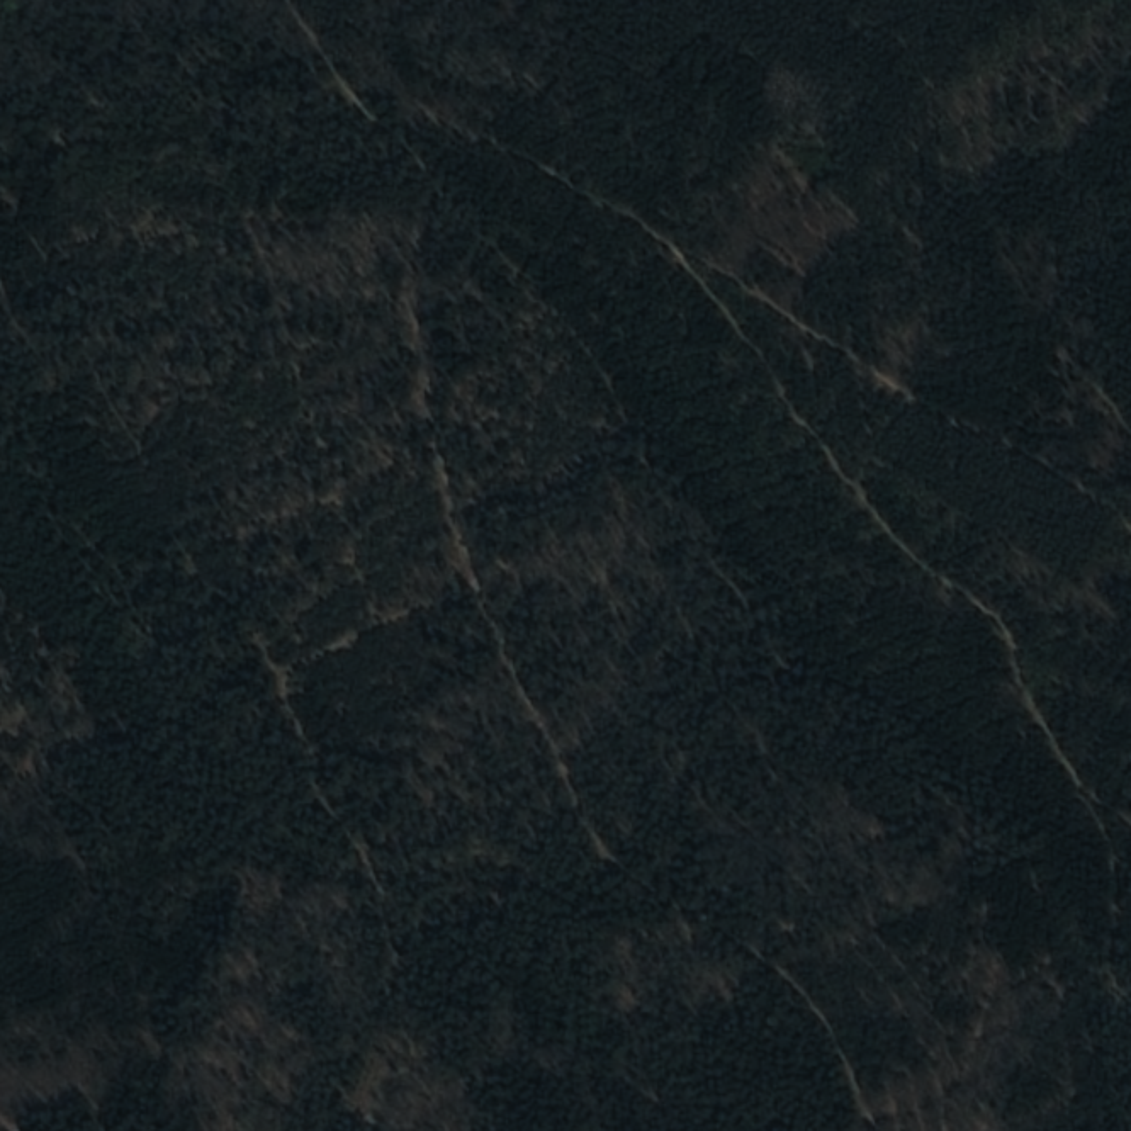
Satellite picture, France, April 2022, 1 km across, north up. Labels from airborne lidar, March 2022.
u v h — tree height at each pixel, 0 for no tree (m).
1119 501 21
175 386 6
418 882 15
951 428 24
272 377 20
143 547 11
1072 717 12
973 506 23
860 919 26
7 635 11
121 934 20
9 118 30
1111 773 19
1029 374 21
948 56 26
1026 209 29
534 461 10
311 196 28
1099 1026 26
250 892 23
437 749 28
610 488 22
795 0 24
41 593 10
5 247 11
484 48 26
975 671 19
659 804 32
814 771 27
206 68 7
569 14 27
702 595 25
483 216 27
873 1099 16
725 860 26
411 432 23
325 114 30
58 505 10
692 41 25
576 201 15
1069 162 19
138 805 29
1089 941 10
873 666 16
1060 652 17
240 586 9
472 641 29
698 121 18
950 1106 12
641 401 13
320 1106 28
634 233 20
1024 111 23
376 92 20
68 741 34
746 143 19
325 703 13
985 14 24
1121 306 31
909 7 25
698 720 28
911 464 21
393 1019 26
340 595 9
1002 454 28
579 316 14
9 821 15
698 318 17
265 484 20
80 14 32
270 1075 27
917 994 14
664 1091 26
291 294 29
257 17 27
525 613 32
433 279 23
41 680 31
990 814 8
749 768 26
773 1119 29
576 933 36
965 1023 11
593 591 30
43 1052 17
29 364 29
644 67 23
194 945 13
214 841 29
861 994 20
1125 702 15
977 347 24
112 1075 17
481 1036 31
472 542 26
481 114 15
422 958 32
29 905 14
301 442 6
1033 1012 18
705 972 29
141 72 31
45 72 29
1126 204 24
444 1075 27
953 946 12
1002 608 16
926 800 35
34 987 21
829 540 22
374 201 30
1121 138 24
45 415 11
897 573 17
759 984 25
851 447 16
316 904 27
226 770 20
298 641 25
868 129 22
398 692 9
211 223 9
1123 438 10
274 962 29
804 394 17
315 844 19
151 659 11
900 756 33
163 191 13
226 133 27
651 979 23
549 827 33
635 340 11
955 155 18
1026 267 18
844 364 16
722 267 16
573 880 33
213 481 12
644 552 32
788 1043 31
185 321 26
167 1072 17
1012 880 18
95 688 16
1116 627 17
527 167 20
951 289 21
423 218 25
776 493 17
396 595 12
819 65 24
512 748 23
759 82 24
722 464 20
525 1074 25
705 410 19
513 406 12
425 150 32
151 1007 15
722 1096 25
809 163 11
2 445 27
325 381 10
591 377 7
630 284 15
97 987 23
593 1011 19
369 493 10
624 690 21
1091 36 19
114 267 11
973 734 14
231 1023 28
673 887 27
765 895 29
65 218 13
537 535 31
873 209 18
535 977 26
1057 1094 26
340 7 26
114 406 6
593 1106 28
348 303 26
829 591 20
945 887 9
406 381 17
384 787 29
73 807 25
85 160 32
